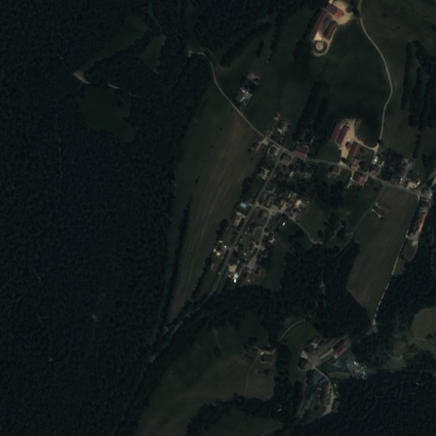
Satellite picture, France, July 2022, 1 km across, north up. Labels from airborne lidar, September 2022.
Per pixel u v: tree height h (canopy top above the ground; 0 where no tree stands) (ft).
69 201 49
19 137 52
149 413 0
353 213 0
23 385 30
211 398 0
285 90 0
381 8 0
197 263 0
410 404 64
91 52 92
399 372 27
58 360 65
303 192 31
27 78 44
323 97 0
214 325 37
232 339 0
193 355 0
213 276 0
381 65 0
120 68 85
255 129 0
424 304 38
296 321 0
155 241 65
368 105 0
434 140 0
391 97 0
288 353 94
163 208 52
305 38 22
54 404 44
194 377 0
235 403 85
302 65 0
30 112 41
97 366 77
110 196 77
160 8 77
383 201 0
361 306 36
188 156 0
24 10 54
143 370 57
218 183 0
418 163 0
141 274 92
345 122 0
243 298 50
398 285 54
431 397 93
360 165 30
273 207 0
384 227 0
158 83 48
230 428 0
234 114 0
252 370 0
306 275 42
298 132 43
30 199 34
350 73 0
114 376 78
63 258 43
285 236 0
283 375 79
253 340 49
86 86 58
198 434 112
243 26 57
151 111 79
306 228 0
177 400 0
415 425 41
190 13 0
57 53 33
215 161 0
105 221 67
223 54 0
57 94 30
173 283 77
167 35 53
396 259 0
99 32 21
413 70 0
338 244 0
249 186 76
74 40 83
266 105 0
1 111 82
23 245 59
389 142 0
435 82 76
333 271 93
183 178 0
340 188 65
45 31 59
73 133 57
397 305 24
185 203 0
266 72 0
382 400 52
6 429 65
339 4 0
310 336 0
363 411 78
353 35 0
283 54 0
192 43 0
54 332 40
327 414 0
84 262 72
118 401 62
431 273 31
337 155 0
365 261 0
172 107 79
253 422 0
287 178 25
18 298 60
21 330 43
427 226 32
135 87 59
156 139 82
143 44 73
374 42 0
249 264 0
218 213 0
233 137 0
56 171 57
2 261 60
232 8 65
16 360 62
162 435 0
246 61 0
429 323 0
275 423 0
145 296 96
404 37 0
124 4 101
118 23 78
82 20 65
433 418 72
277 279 0
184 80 59
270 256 60
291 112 0
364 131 0
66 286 33
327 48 0
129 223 85
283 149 0
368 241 0
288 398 48
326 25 0
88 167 58
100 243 71
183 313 41
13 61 37
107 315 79
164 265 78
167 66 47
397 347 0
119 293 103
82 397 45
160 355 70
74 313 50
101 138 77
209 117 0
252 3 43
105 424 89
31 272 71
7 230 39
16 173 52
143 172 105
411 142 0
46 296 36
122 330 70
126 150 74
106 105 0
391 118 0
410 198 0
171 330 40
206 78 72
